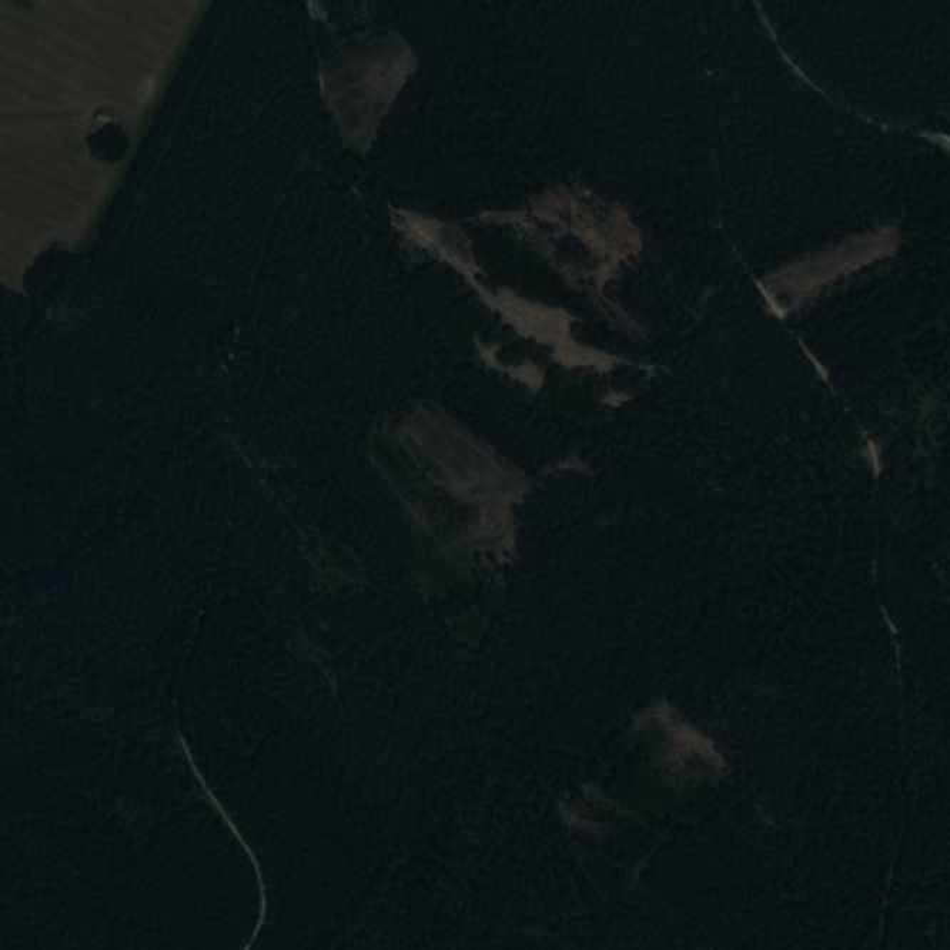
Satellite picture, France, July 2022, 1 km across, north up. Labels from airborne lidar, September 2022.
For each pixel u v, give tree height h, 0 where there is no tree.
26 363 29
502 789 29
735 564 36
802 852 15
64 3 0
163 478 29
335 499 30
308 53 24
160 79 0
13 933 17
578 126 15
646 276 15
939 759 30
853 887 17
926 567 28
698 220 14
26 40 0
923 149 20
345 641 9
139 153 0
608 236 0
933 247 11
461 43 13
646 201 19
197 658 14
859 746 26
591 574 25
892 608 24
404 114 17
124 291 23
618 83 31
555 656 22
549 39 31
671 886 5
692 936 30
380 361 29
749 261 19
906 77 25
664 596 27
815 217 18
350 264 34
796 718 27
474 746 24
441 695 23
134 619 32
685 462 25
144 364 22
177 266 22
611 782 14
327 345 29
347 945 26
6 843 20
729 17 32
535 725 16
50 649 36
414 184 14
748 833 20
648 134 28
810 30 27
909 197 15
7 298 25
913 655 12
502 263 8
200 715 12
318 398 32
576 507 26
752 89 30
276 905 14
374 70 0
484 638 0
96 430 24
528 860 30
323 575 0
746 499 21
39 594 38
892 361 28
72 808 21
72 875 16
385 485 27
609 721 12
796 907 18
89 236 0
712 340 23
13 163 0
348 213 27
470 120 12
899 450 6
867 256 0
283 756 14
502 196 6
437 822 10
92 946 16
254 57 26
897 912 12
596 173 22
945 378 8
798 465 24
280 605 33
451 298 0
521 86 15
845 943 11
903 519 26
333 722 25
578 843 29
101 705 31
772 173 30
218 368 31
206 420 29
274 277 32
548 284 7
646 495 26
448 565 0
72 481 28
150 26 0
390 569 20
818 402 35
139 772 7
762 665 22
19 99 0
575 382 10
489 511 0
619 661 24
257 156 25
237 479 30
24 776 24
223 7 26
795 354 24
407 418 0
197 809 22
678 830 15
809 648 22
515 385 9
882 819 26
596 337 16
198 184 27
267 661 20
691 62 31
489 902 25
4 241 0
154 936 15
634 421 31
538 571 25
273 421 31
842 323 15
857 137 26
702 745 0
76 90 0
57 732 20
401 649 8
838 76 31
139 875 21
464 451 0
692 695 35
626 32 31
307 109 27
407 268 8
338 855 14
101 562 33
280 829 12
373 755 24
